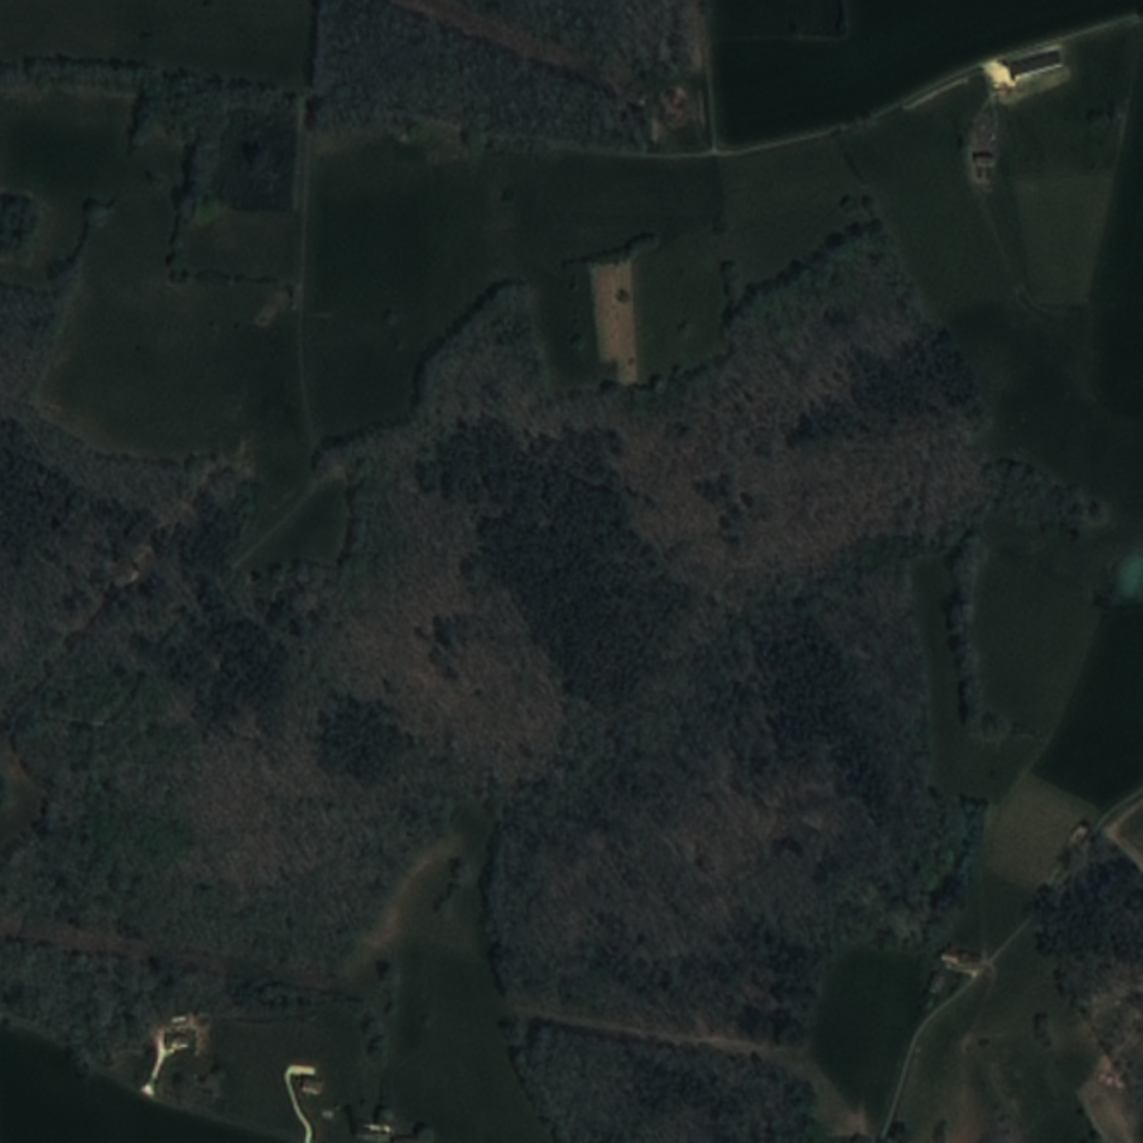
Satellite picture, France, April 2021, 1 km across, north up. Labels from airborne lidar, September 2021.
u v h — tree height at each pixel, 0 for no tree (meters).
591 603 24
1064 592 0
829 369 22
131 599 14
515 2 20
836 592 17
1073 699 0
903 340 20
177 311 0
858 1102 0
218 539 23
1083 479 0
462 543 15
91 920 19
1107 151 0
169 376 0
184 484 23
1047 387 0
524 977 29
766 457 16
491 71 20
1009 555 0
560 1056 24
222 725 25
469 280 0
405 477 15
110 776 11
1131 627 0
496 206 0
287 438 0
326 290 0
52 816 15
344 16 18
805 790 15
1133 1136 0
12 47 0
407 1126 0
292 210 0
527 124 19
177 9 0
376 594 17
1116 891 28
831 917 22
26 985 20
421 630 19
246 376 0
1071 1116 0
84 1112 0
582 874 24
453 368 22
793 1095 16
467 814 0
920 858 17
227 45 0
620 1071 18
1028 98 0
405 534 20
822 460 8
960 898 24
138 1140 0
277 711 23
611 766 21
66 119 0
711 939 22
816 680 22
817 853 20
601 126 24
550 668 19
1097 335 0
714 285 0
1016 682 0
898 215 0
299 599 15
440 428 19
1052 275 0
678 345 0
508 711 18
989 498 12
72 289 23
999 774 0
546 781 15
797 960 15
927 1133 0
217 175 6
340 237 0
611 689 20
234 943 21
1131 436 0
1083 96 0
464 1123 0
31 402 17
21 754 18
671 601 29
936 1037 0
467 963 0
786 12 0
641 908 15
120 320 0
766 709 14
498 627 18
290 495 0
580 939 20
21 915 15
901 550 10
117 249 0
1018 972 0
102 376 0
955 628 13
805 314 18
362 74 20
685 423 14
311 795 23
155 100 18
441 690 17
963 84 0
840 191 0
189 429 0
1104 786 0
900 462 11
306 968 14
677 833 23
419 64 24
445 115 22
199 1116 0
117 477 22
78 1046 17
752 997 9
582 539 23
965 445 16
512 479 20
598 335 0
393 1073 0
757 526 15
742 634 20
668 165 0
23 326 20
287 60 0
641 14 18
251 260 0
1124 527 0
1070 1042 0
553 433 17
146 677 17
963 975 6
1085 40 0
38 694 18
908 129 0
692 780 23
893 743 17
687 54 11
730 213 0
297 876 21
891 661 15
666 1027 19
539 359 15
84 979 13
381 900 24
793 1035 28
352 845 22
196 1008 7
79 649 19
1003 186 0
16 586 21
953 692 0
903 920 17
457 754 18
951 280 0
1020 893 0
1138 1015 24
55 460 22
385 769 28
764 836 15
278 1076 0
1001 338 0
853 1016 0
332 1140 0
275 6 0
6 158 0
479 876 0
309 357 0
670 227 0
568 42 21
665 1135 25
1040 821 0
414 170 0
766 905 23
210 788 22
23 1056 0
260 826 21
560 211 0
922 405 23
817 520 11
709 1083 26
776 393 18
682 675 26
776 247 0
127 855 23
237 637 25
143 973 18
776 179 0
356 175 0
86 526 18
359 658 21
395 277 0
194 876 18
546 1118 23
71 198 0
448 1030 0
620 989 20
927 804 16
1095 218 0
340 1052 0
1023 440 0
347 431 0
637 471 10
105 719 17
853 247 19
